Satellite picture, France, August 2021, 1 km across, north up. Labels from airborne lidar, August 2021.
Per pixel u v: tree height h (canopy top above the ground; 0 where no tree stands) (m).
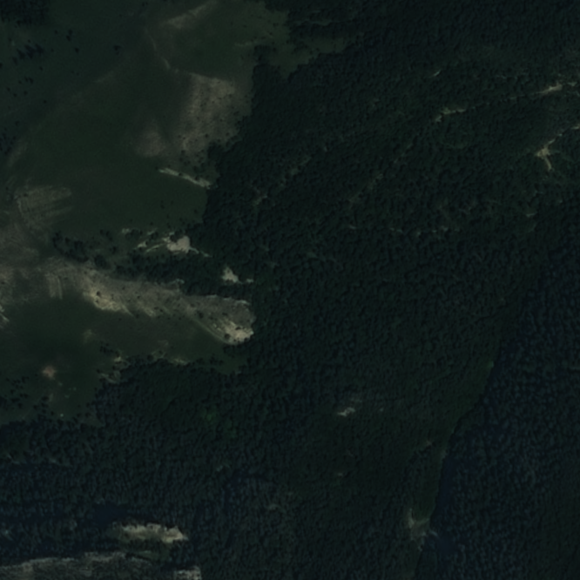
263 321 14
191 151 0
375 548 26
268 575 19
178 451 21
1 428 0
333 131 19
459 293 21
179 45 0
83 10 0
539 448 31
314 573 17
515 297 16
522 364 17
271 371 21
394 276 30
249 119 13
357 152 18
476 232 14
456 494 25
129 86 0
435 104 16
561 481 14
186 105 0
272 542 16
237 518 23
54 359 0
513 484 17
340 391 19
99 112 0
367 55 25
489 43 20
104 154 0
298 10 14
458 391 22
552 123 6
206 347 0
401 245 19
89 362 0
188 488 19
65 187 0
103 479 15
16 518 16
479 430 13
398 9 16
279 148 15
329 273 21
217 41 0
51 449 15
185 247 0
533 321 28
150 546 16
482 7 34
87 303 0
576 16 32
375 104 5
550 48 12
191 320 0
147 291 0
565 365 29
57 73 0
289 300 18
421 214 15
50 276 0
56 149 0
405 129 25
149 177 0
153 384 24
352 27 18
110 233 10
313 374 18
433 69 14
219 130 0
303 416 15
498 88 15
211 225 25
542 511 19
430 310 19
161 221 0
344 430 24
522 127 14
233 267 16
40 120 0
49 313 0
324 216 9
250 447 21
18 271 0
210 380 20
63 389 0
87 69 0
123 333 0
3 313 0
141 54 0
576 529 19
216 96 0
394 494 20
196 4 0
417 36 31
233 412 21
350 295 22
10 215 0
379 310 6
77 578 7
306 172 23
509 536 29
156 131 0
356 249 17
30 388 0
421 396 28
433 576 13
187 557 20
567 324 25
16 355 0
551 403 29
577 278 35
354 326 20
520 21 26
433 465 18
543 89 6
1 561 5
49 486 22
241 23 0
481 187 15
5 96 0
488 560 9
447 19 32
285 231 28
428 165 25
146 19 0
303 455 18
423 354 14
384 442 26
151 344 0
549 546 20
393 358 15
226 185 20
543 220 18
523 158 9
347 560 17
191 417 23
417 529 0
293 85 22
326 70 25
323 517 16
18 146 0
